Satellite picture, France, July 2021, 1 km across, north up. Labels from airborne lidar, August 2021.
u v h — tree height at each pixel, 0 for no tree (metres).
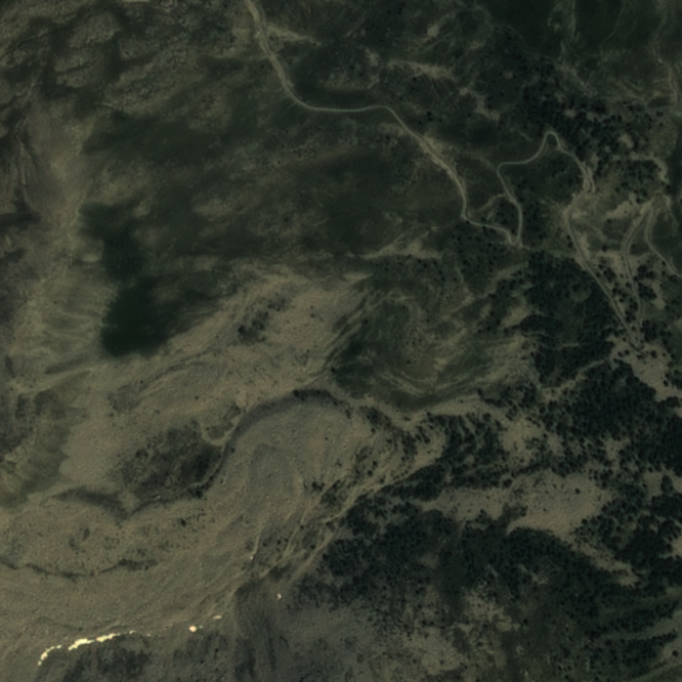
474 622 0
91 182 0
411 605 0
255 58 0
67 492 0
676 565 8
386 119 0
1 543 0
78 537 0
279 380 0
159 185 0
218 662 0
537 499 0
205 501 0
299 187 0
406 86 0
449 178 0
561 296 9
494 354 0
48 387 0
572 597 11
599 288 10
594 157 0
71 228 0
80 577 0
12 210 0
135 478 0
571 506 0
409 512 10
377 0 0
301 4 0
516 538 7
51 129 0
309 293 0
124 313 0
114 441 0
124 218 0
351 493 0
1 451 0
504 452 11
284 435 0
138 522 0
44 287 0
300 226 0
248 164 0
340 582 0
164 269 0
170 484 0
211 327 0
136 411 0
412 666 0
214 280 0
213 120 0
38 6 0
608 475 13
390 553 6
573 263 6
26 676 0
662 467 10
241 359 0
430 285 0
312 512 0
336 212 0
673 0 0
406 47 0
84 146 0
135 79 0
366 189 0
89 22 0
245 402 0
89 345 0
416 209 0
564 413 5
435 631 0
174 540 0
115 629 0
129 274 0
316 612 0
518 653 0
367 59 0
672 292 0
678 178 0
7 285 0
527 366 0
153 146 0
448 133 0
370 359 0
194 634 0
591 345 7
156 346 0
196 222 0
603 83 0
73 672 0
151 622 0
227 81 0
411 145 0
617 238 0
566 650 9
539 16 0
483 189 0
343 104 0
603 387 11
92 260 0
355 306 0
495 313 8
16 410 0
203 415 0
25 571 0
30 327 0
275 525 0
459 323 0
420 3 0
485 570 12
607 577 7
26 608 0
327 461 0
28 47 0
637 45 0
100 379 0
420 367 0
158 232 0
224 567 0
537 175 0
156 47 0
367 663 0
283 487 0
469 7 0
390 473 0
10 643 0
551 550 12
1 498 0
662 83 0
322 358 0
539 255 6
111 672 0
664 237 0
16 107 0
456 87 0
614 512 8
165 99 0
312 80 0
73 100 0
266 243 0
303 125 0
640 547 12
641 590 12
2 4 0
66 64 0
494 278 0
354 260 0
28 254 0
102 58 0
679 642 0
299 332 0
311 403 0
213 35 0
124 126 0
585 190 0
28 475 0
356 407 0
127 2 0
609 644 11
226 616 0
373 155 0
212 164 0
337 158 0
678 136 0
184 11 0
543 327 6
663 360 0
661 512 13
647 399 7
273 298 0
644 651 9
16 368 0
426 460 0
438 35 0
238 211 0
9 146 0
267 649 0
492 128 0
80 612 0
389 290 0
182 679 0
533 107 7
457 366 0
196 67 0
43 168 0
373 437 0
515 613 0
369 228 0
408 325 0
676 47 0
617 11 0
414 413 0
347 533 0
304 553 0
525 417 0
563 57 0
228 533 0
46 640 0
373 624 0
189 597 0
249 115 0
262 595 0
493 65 0
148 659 0
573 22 0
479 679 8
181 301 0
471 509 0
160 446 0
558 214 0
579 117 9
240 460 0
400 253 0
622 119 8
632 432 13
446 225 0
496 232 7
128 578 0
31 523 0
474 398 0
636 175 7
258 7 0
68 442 0
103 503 0
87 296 0
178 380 0
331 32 0
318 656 0
